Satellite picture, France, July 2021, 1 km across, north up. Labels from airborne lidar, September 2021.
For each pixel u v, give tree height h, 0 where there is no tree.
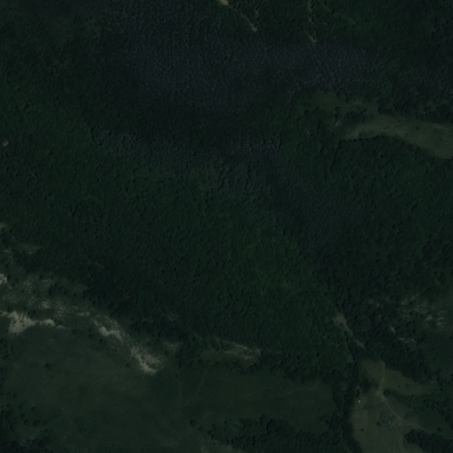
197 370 0
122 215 18
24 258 15
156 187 15
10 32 11
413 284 14
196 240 18
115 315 12
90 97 13
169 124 18
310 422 0
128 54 8
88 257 7
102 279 17
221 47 14
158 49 10
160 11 8
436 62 15
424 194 22
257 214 16
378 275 9
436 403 13
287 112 16
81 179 15
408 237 17
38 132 16
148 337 0
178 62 13
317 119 17
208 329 14
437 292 20
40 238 17
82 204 24
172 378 0
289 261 15
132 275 15
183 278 23
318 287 15
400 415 0
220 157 24
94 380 0
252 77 14
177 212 14
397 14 18
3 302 0
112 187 20
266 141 17
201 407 0
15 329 0
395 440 0
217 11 14
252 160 24
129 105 12
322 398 0
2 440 17
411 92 18
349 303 19
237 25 16
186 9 10
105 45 12
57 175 18
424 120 16
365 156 18
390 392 12
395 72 6
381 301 13
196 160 25
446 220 20
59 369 0
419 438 23
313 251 20
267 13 19
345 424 16
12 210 14
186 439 0
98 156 18
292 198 17
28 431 0
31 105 10
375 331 14
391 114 14
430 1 17
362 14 14
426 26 8
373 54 12
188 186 18
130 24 13
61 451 0
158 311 11
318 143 18
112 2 9
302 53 13
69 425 0
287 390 0
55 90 11
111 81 11
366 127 0
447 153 0
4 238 14
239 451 8
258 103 17
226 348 16
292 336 21
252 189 16
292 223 16
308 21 21
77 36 10
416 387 0
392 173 21
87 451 0
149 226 17
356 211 16
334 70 16
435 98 13
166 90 12
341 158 17
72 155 18
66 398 0
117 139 21
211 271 22
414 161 17
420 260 10
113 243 20
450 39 14
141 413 0
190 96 12
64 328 0
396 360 28
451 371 0
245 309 22
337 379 19
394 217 18
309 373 25
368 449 0
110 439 0
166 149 26
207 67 12
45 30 9
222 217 14
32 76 12
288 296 18
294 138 12
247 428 14
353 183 16
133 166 13
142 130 16
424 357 12
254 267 17
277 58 13
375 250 9
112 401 0
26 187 19
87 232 19
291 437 26
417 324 12
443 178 21
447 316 0
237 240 17
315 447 25
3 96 15
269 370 0
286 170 16
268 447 14
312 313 20
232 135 13
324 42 14
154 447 0
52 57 8
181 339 10
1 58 11
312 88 18
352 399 16
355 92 24
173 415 0
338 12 14
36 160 17
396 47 18
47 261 18
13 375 0
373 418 0
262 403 0
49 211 17
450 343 0
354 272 10
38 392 0
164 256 19
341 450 23
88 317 0
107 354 0
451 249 14
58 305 0
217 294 21
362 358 16
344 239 16
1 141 17
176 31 7
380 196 18
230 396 0
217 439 12
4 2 0
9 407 9
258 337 19
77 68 14
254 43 14
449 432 0
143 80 11
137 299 11
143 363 0
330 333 20
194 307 19
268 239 15
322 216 17
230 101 12
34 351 0
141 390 0
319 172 20
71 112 11
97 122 15
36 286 0
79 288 0
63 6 8
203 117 16
